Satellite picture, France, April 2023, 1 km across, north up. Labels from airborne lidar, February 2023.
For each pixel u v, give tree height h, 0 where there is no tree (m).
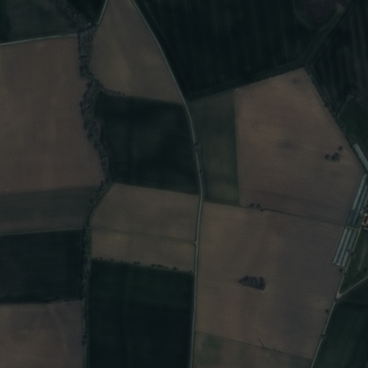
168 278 0
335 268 0
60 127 0
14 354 0
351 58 0
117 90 0
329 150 0
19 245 0
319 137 0
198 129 0
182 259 0
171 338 0
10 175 0
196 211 0
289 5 0
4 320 0
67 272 0
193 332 0
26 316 0
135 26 0
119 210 0
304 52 0
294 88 0
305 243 0
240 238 0
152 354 0
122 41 0
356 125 0
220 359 0
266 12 0
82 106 16
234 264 0
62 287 0
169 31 0
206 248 0
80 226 0
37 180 0
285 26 0
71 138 0
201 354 0
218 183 0
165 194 0
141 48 0
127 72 0
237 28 0
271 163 0
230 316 0
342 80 0
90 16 0
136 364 0
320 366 0
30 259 0
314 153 0
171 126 0
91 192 0
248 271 0
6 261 0
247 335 0
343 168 0
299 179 0
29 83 0
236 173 0
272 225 0
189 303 0
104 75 0
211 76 0
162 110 0
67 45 0
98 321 0
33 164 0
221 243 0
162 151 0
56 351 0
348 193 0
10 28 0
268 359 0
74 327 0
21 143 0
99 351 0
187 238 0
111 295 0
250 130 0
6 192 0
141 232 0
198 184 0
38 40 0
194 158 0
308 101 0
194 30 0
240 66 0
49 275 0
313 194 0
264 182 0
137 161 0
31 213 0
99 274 0
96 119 0
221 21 0
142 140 0
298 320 0
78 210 0
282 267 0
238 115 0
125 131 0
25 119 0
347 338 0
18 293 0
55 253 0
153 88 0
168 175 0
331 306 0
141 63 0
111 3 0
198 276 0
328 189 0
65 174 0
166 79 0
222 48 0
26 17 0
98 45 0
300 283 0
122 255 0
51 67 0
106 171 10
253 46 0
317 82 0
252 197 0
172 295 0
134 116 0
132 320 0
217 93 0
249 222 0
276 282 0
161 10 0
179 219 0
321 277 0
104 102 0
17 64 0
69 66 0
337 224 0
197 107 0
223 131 0
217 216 0
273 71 0
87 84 0
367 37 0
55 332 0
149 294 0
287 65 0
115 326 0
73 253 0
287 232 0
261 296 0
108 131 0
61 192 0
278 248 0
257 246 0
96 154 0
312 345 0
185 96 0
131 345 0
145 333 0
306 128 0
